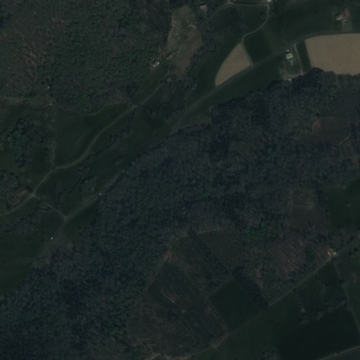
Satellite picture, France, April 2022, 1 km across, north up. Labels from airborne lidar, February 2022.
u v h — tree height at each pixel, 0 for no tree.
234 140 17
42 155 0
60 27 30
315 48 0
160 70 0
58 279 24
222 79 0
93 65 23
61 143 0
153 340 0
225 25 0
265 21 0
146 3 29
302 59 0
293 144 25
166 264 0
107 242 20
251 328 0
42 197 0
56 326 25
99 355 28
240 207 18
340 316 0
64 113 0
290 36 0
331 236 16
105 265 11
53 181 0
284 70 0
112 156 0
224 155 17
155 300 0
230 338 0
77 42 26
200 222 29
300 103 27
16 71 31
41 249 0
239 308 0
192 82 11
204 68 0
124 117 0
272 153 28
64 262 25
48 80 14
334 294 0
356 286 0
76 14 17
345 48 0
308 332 0
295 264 23
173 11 13
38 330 20
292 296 0
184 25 0
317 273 0
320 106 24
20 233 20
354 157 0
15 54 30
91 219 0
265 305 27
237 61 0
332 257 0
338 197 0
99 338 8
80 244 0
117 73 24
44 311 14
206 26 15
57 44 32
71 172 0
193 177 26
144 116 0
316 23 0
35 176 0
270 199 22
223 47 0
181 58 0
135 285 25
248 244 17
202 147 22
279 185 23
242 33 0
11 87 29
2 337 22
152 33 6
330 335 0
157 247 27
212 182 24
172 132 0
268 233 14
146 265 25
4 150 0
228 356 0
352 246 15
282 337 0
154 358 0
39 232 0
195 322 0
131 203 19
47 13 28
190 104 0
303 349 0
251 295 23
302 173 30
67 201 0
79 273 27
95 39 22
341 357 0
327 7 0
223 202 17
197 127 17
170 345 0
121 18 27
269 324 0
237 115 20
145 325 0
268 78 0
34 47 32
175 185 29
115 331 21
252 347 0
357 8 0
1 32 30
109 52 15
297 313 0
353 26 0
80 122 0
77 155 0
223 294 0
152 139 0
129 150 0
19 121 11
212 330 0
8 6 30
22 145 26
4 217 0
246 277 17
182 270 0
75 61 29
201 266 0
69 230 0
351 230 0
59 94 23
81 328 23
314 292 0
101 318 22
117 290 23
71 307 29
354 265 0
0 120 0
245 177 27
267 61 0
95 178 13
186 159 27
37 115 10
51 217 0
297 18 0
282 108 26
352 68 0
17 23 30
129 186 25
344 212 0
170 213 19
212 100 0
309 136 0
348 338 0
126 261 23
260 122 23
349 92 0
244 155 0
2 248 0
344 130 0
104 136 0
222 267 24
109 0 28
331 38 0
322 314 19
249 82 0
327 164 31
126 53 27
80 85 27
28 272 0
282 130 29
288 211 24
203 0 0
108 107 0
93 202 0
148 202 22
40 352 25
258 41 0
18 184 8
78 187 0
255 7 0
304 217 0
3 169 0
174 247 0
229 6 0
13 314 21
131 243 17
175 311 0
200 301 0
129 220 21
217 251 0
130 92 11
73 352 25
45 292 15
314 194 0
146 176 25
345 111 0
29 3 30
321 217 0
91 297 23
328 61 0
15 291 0
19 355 23
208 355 0
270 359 16
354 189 0
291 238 21
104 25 25
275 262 25
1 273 0
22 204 0
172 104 0
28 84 36
